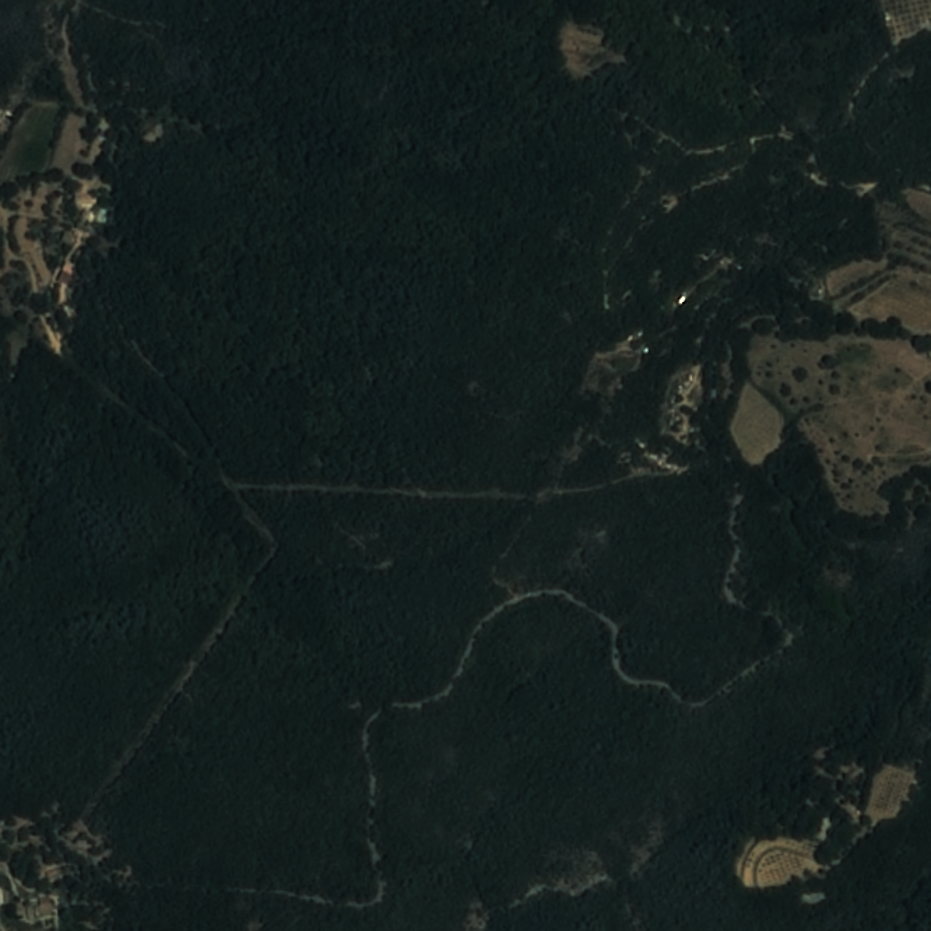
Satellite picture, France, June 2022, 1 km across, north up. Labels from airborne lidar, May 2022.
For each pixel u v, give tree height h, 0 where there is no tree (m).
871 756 17
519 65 11
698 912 7
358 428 14
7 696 8
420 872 11
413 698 9
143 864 6
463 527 16
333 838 8
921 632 16
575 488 8
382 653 8
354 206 12
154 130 0
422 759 6
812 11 14
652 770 7
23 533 9
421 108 7
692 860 12
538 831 9
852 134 9
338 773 13
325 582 13
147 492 7
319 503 11
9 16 8
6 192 14
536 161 10
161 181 11
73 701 12
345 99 12
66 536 11
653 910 7
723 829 13
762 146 6
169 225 18
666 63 12
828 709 8
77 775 10
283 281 9
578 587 9
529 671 8
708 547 7
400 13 7
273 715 10
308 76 9
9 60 8
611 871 7
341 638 11
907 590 12
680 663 9
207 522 17
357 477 14
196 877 10
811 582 13
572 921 6
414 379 11
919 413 0
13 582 8
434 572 7
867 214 10
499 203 10
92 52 10
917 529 7
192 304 6
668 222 9
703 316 12
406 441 8
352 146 21
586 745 7
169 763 12
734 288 10
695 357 13
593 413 11
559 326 8
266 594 15
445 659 9
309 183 13
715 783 11
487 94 7
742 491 9
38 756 8
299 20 11
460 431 8
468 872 8
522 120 11
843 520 13
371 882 8
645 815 8
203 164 13
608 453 10
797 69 9
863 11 10
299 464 14
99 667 11
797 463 14
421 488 13
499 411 11
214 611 14
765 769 7
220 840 8
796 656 10
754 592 11
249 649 9
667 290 9
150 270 15
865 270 0
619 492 6
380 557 8
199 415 15
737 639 7
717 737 8
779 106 10
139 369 13
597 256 11
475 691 10
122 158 11
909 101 9
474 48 10
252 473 13
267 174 14
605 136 9
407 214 11
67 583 10
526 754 9
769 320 12
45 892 12
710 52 11
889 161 10
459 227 8
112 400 8
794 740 9
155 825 9
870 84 7
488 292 11
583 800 7
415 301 11
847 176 14
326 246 14
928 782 9
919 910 13
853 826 13
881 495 7
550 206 11
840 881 12
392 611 9
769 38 18
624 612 9
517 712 9
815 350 0
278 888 10
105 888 9
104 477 15
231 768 8
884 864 14
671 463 7
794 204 6
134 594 11
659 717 8
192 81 13
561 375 13
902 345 0
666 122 10
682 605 6
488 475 10
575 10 16
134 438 14
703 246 7
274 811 7
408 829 8
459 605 10
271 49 12
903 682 14
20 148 0
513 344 10
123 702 8
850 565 9
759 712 10
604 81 16
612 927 7
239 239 9
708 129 10
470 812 6
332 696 12
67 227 9
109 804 11
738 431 0
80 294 10
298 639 11
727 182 7
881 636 12
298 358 11
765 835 14
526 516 7
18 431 13
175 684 9
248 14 16
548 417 12
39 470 21
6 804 15
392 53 8
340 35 9
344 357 13
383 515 7
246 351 17
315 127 18
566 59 13
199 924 14
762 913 11
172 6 7
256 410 17
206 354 12
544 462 9
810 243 11
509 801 7
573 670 9
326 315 15
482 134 10
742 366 15
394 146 9
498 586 8
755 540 10
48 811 7
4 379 12
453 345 9
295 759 13
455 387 8
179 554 17
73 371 13
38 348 15
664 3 9
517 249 11
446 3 11
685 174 9
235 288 12
